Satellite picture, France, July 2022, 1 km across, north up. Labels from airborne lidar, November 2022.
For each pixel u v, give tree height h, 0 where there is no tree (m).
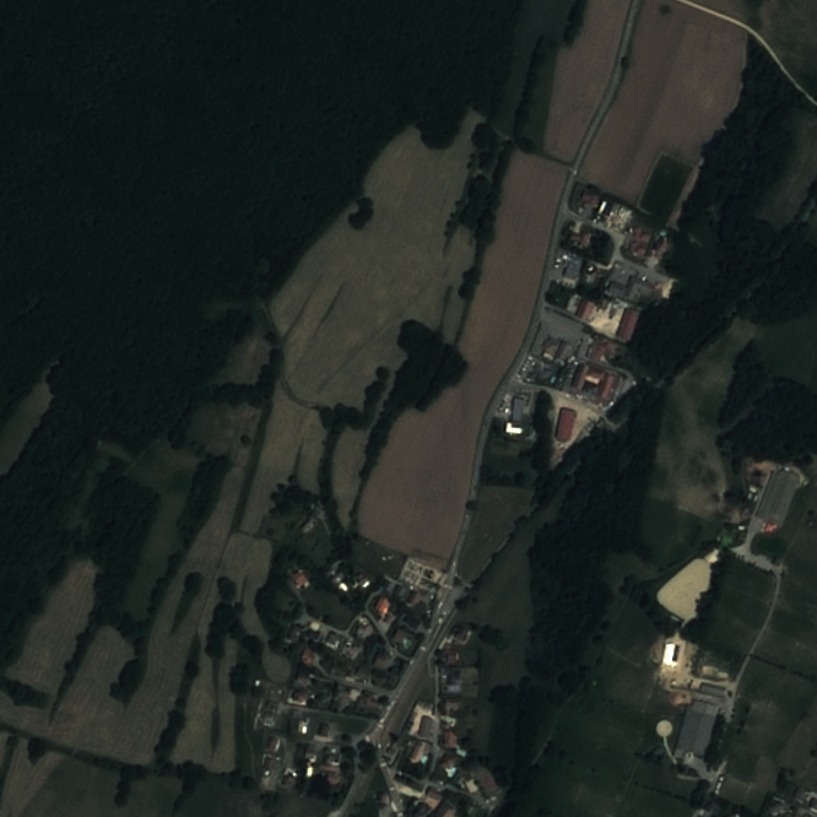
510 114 0
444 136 21
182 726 12
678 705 0
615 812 0
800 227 14
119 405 20
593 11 0
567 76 0
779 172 22
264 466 0
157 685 0
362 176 17
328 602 0
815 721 0
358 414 17
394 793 0
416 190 0
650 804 0
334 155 22
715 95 0
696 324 21
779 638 0
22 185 18
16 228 18
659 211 0
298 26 21
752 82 15
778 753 0
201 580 11
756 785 0
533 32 0
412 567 0
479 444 0
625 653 0
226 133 22
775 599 0
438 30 24
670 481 0
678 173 0
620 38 0
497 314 0
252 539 0
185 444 17
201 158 23
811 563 0
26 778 0
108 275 24
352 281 0
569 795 0
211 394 15
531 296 0
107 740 0
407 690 0
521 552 0
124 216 25
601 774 0
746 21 0
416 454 0
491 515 0
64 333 24
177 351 24
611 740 0
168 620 0
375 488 0
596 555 20
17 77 19
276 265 7
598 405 0
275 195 20
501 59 24
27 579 7
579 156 0
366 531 0
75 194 24
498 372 0
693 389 0
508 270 0
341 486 0
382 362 0
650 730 0
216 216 24
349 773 20
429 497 0
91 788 0
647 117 0
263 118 21
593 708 0
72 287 25
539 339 0
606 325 0
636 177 0
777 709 0
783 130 18
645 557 16
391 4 22
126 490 17
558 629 17
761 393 26
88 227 22
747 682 0
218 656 17
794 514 0
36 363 27
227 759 0
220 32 24
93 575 0
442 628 0
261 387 17
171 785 0
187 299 21
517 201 0
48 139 21
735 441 21
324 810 0
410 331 19
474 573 0
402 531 0
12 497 21
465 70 21
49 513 9
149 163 23
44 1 23
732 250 16
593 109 0
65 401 16
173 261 26
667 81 0
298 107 21
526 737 19
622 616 0
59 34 22
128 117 24
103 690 0
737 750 0
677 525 0
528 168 0
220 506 0
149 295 24
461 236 0
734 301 13
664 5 0
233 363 0
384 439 16
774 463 10
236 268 21
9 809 0
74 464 16
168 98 25
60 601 0
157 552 0
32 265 20
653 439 18
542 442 12
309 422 0
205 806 0
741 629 0
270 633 0
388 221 0
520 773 15
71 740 0
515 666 0
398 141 0
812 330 0
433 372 13
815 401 26
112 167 26
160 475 0
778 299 23
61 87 14
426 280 0
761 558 0
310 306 0
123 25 22
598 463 15
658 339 22
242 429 0
